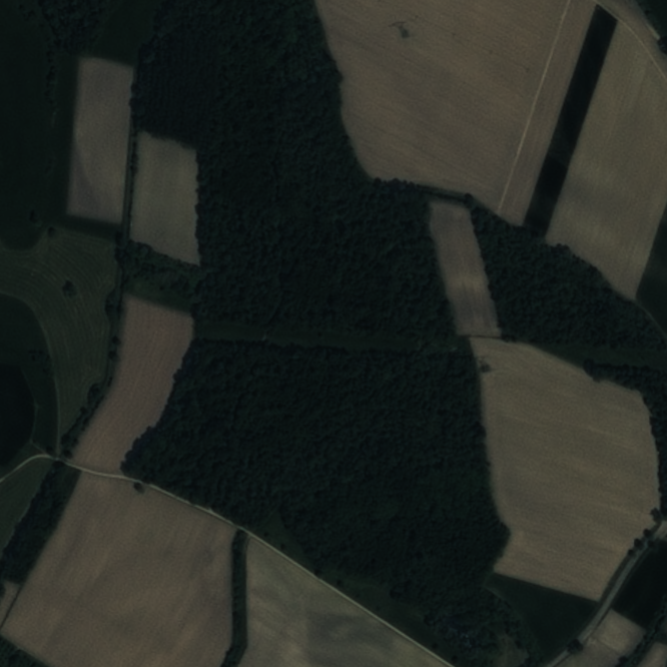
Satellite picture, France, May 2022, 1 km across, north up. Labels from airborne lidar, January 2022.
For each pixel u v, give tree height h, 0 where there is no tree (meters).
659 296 0
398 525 25
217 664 0
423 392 16
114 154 0
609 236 0
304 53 24
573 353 0
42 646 0
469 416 14
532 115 0
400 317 18
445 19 0
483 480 17
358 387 13
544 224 0
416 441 19
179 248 0
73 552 0
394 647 0
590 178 0
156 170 0
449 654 0
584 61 0
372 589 0
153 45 9
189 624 0
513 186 0
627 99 0
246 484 14
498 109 0
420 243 18
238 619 7
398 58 0
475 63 0
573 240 0
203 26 15
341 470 19
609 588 0
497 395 0
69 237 0
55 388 0
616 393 0
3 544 0
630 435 0
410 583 27
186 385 21
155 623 0
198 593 0
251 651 0
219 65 10
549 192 0
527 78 0
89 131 0
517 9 0
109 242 0
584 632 0
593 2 0
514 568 0
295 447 8
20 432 0
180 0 20
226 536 0
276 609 0
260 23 24
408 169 0
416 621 0
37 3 0
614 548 0
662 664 0
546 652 0
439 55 0
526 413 0
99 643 0
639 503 0
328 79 22
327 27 0
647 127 0
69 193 0
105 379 0
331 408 15
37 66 0
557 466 0
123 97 0
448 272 0
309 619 0
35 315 0
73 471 0
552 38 0
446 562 16
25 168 0
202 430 23
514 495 0
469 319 0
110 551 0
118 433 0
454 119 0
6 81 0
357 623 0
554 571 0
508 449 0
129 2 0
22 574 19
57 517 12
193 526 0
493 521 10
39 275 0
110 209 0
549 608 0
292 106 17
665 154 0
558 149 0
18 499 0
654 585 0
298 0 17
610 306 26
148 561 0
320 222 23
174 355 0
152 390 0
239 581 8
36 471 0
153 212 0
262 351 19
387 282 27
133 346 0
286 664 0
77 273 0
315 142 13
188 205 0
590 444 0
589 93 0
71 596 0
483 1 0
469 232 0
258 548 0
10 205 0
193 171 0
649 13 8
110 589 0
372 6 0
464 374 17
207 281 18
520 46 0
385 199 25
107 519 0
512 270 14
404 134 0
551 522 0
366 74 0
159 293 0
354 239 9
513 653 0
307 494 19
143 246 14
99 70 0
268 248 9
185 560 0
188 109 14
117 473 0
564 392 0
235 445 20
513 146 0
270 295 19
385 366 8
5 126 0
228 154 12
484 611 15
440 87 0
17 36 0
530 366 0
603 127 0
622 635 0
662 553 0
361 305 22
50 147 0
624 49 0
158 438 22
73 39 19
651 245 0
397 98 0
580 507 0
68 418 0
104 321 0
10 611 0
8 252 0
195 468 8
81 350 0
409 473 19
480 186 0
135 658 0
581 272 13
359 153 0
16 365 0
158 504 0
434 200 0
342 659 0
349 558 19
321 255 16
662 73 0
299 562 0
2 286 0
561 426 0
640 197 0
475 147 0
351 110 0
